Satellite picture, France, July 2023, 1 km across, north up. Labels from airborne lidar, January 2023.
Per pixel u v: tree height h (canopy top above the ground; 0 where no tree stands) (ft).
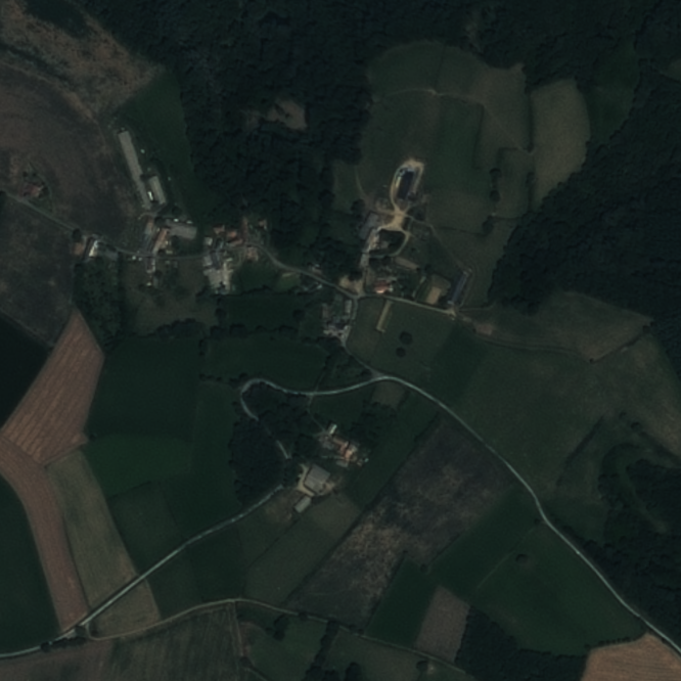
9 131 0
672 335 63
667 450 0
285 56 98
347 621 0
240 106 59
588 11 93
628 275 74
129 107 0
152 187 0
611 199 33
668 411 0
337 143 38
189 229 0
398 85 0
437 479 0
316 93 66
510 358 0
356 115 61
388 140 0
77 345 0
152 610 0
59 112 0
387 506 0
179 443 0
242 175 79
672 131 58
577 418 0
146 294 0
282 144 83
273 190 63
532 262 81
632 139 43
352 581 0
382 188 0
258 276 0
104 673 0
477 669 58
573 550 0
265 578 0
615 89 0
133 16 83
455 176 0
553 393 0
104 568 0
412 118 0
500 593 0
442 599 0
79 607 0
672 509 47
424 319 0
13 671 0
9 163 0
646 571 24
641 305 49
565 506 0
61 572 0
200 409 0
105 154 0
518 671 56
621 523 29
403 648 0
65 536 0
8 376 0
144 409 0
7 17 0
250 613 0
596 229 51
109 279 0
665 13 74
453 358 0
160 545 0
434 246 0
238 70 61
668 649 0
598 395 0
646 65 49
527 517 0
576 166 0
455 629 0
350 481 0
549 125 0
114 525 0
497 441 0
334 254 63
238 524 0
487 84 0
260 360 0
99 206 0
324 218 20
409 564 0
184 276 0
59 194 0
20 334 0
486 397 0
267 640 0
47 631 0
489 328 0
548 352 0
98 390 0
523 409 0
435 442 0
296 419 61
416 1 52
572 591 0
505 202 0
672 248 34
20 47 0
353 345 0
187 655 0
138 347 0
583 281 43
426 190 0
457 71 0
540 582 0
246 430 37
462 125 0
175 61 64
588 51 91
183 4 76
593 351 0
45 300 0
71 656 0
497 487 0
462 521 0
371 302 0
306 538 0
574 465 0
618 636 0
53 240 0
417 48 0
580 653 0
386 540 0
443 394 0
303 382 0
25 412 0
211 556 0
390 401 0
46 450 0
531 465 0
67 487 0
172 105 0
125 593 0
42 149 0
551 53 44
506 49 69
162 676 0
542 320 0
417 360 0
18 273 0
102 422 0
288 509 0
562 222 38
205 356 32
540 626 0
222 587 0
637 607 19
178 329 64
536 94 0
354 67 73
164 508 0
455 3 71
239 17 62
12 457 0
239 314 0
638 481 33
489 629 53
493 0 81
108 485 0
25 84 0
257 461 51
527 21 78
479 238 0
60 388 0
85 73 0
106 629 0
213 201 0
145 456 0
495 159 0
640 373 0
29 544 0
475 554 0
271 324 0
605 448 0
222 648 0
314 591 0
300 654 0
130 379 0
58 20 0
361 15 69
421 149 0
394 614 0
